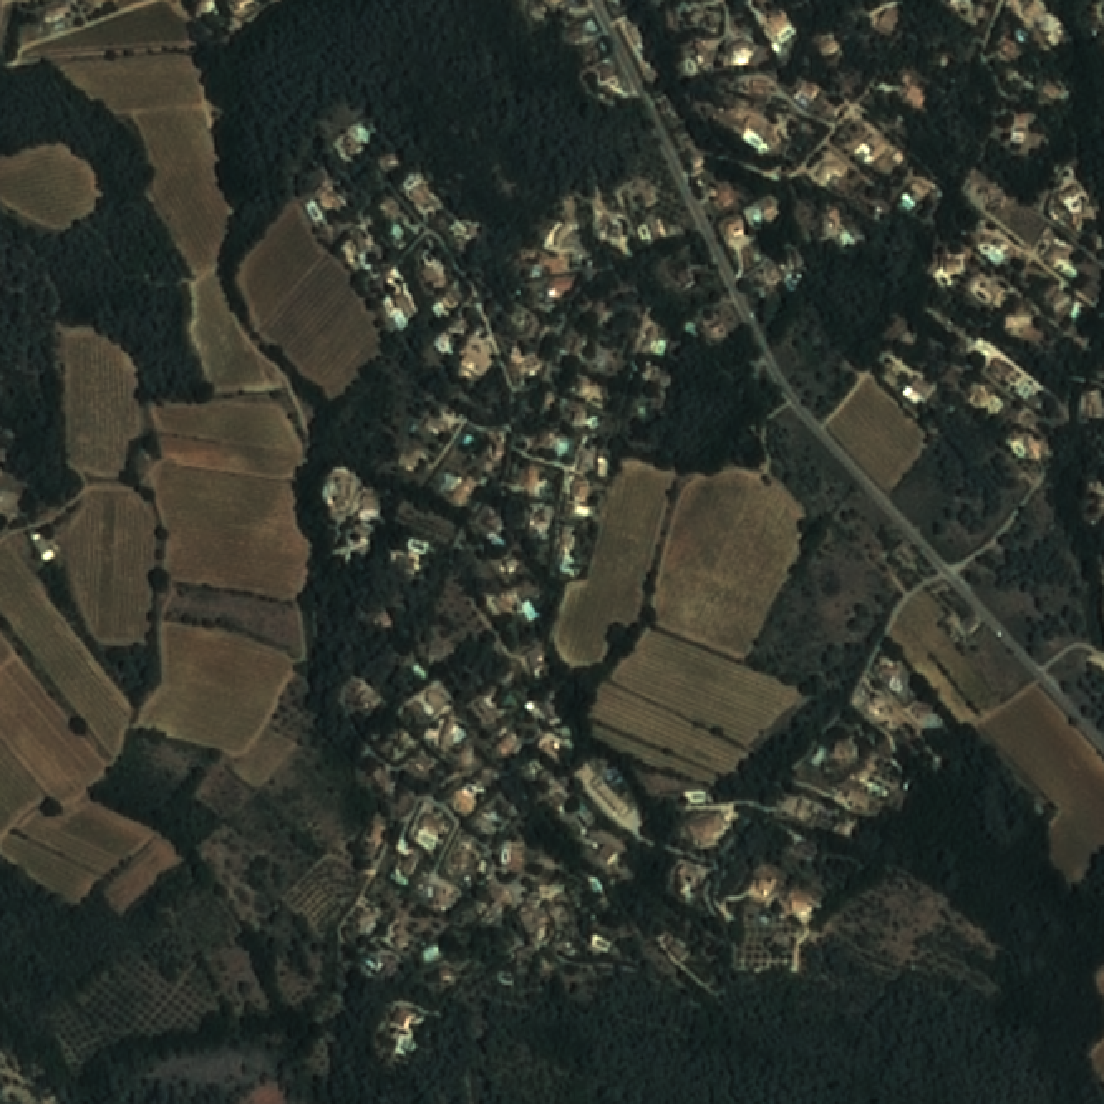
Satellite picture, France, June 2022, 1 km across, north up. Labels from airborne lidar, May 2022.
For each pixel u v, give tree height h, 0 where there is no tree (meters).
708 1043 14
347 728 16
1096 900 7
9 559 0
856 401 0
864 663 10
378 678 20
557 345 16
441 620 7
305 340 0
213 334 0
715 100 16
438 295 7
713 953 10
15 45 11
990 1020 21
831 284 18
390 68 9
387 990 14
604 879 9
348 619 9
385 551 9
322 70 23
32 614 0
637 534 0
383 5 19
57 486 22
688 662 0
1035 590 15
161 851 0
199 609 0
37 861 0
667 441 11
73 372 0
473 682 18
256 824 0
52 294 18
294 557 0
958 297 9
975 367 11
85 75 0
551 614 16
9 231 11
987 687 0
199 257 0
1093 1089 14
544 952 8
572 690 6
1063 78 6
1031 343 14
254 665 0
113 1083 17
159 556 6
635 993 14
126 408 0
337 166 21
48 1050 13
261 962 15
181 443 0
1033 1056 10
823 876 11
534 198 6
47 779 0
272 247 0
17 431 16
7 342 21
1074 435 13
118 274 18
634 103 10
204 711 0
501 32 7
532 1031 14
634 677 0
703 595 0
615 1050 16
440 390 23
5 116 15
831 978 7
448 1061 15
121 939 7
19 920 13
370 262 7
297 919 8
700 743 0
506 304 8
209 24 20
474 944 8
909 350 12
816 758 0
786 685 6
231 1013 13
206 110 0
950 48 13
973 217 13
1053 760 0
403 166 7
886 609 7
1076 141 9
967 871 7
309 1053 11
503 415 10
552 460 8
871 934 6
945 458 12
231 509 0
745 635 0
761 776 12
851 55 9
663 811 10
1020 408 9
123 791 10
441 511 11
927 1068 18
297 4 13
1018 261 10
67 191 0
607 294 6
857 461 0
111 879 6
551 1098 8
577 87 14
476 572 20
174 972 10
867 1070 19
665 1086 17
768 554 0
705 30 10
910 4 13
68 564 0
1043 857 9
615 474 10
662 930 17
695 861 6
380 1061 6
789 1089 23
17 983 9
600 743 13
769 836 13
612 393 7
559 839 16
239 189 14
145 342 8
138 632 0
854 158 8
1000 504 16
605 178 23
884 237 8
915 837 8
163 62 0
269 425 0
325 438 18
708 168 11
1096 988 9
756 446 15
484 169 6
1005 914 7
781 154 8
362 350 0
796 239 11
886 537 9
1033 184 8
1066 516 14
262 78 22
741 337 10
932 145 12
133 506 0
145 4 0
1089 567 17
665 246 16
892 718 0
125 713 0
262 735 0
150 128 0
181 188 0
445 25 17
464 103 7
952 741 14
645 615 10
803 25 7
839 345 17
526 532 12
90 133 17
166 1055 18
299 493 10
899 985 13
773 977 8
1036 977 7
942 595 6
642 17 16
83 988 11
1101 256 12
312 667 8
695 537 0
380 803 6
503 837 7
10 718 0
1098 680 8
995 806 21
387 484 16
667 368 9
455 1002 12
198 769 10
